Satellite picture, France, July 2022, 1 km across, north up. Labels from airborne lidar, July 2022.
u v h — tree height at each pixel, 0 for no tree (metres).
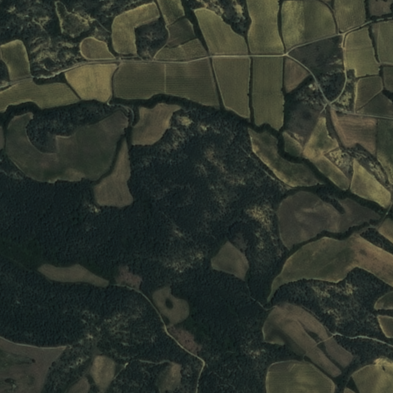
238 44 0
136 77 0
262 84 0
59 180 6
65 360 8
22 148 0
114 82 0
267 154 0
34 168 0
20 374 0
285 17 0
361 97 0
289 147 0
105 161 0
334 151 0
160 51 0
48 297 12
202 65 0
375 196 0
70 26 0
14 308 9
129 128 8
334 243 0
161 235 14
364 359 9
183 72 0
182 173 13
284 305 0
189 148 9
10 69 0
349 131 0
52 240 16
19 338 10
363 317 9
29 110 13
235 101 0
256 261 11
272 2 0
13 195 19
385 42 0
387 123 0
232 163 7
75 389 0
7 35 9
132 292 14
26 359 0
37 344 9
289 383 0
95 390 10
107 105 9
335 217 0
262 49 0
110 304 11
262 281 15
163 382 0
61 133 7
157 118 0
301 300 8
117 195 0
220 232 12
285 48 0
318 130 0
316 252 0
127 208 9
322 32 0
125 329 6
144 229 12
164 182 13
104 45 0
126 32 0
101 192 0
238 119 8
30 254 7
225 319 8
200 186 12
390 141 0
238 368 12
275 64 0
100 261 13
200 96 0
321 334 0
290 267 0
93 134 0
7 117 10
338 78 8
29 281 12
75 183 5
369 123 0
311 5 0
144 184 9
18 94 0
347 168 0
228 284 14
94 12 7
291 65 0
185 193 11
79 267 0
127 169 0
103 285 0
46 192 14
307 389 0
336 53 0
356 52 0
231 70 0
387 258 0
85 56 0
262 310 13
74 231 13
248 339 7
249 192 11
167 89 0
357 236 0
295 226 0
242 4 10
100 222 13
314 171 7
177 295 10
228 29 0
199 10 0
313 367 0
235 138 9
